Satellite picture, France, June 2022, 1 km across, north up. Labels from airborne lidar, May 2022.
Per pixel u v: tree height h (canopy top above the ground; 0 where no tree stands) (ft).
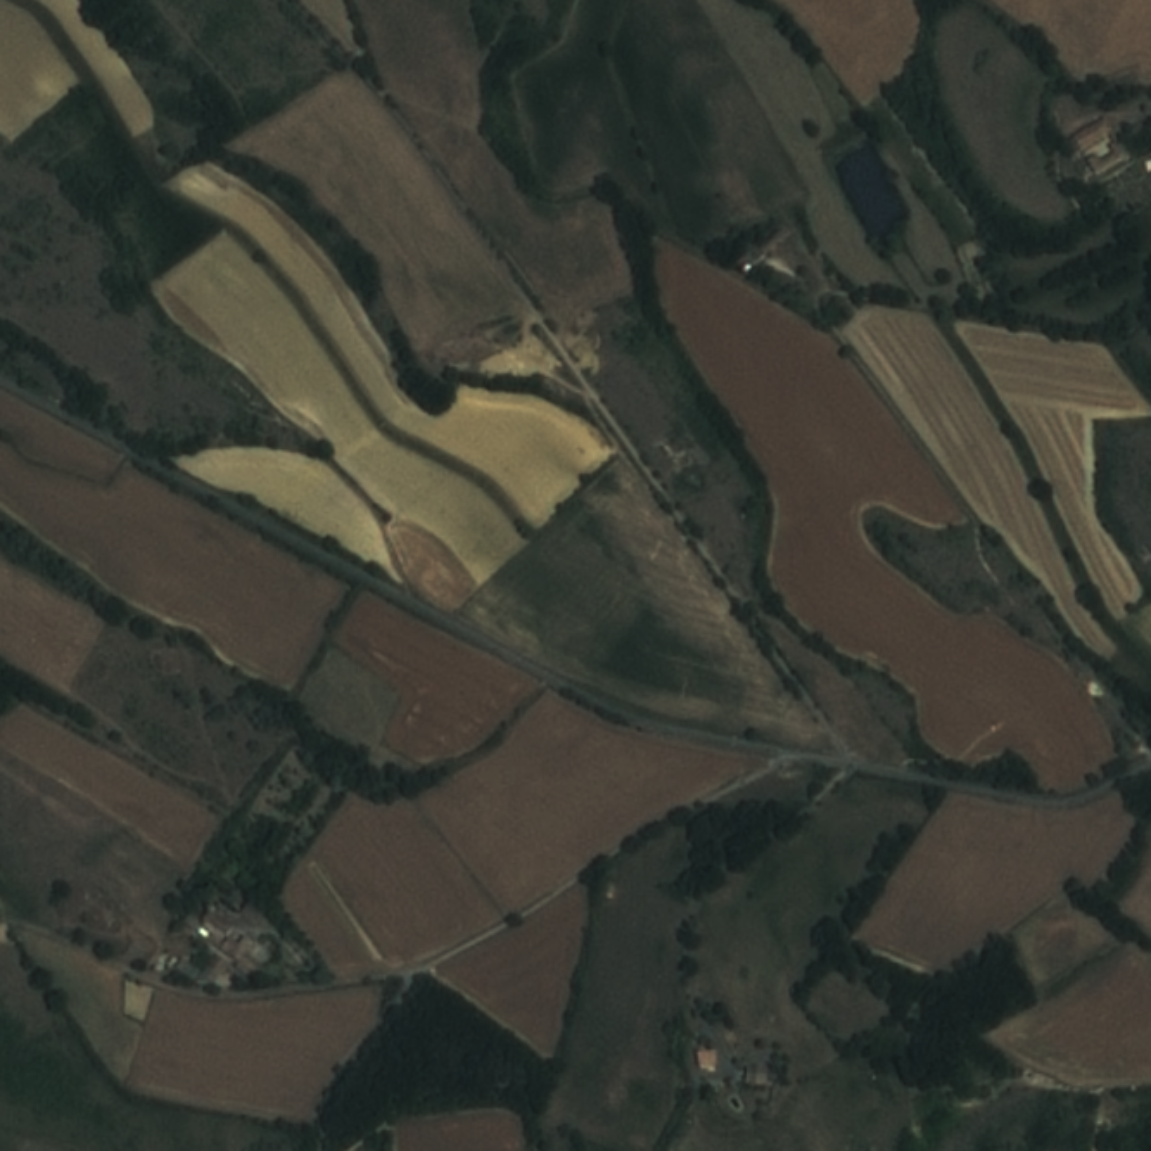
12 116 0
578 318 0
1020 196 0
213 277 0
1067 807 0
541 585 0
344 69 30
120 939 0
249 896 53
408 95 0
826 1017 0
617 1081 0
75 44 0
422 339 0
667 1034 19
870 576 0
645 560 0
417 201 0
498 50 25
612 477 0
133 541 0
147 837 0
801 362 0
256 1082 0
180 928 38
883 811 0
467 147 0
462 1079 29
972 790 0
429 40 0
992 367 0
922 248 0
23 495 0
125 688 0
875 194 0
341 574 24
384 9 0
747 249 38
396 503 0
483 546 0
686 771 0
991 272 54
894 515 0
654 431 0
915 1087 36
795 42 65
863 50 0
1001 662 0
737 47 0
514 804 0
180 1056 0
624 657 0
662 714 0
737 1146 0
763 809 37
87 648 0
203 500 31
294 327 0
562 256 0
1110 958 0
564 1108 0
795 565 0
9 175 0
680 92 0
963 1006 49
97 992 0
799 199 0
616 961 0
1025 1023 0
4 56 0
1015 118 0
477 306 0
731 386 0
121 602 45
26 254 24
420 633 0
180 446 27
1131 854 35
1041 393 0
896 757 0
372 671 0
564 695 38
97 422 31
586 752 0
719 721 0
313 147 0
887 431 0
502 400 0
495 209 0
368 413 0
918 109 31
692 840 35
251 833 26
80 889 0
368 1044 38
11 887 0
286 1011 0
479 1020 39
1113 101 38
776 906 0
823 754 0
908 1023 28
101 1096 0
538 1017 0
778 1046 18
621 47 0
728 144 0
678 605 0
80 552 0
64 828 0
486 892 0
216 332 0
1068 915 0
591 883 40
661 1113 0
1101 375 0
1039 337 0
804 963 0
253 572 0
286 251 0
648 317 31
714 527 0
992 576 0
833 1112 0
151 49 22
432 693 0
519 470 0
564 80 0
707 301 0
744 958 0
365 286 28
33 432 0
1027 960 0
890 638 0
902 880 0
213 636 0
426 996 33
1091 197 25
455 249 0
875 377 0
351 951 0
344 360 0
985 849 0
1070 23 0
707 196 0
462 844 0
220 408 0
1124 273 41
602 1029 0
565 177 0
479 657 0
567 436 0
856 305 39
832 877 0
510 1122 0
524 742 0
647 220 72
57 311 0
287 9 30
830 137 0
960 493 0
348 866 0
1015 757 38
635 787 0
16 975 0
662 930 0
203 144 34
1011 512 0
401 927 0
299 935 21
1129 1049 0
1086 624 0
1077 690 0
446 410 42
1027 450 0
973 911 0
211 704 43
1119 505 0
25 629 0
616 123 0
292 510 0
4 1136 0
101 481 0
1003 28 21
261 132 0
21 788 0
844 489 0
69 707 26
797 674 29
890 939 0
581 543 0
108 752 0
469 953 0
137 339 0
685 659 0
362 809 0
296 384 0
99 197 41
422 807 0
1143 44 0
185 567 0
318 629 0
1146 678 0
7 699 41
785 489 0
